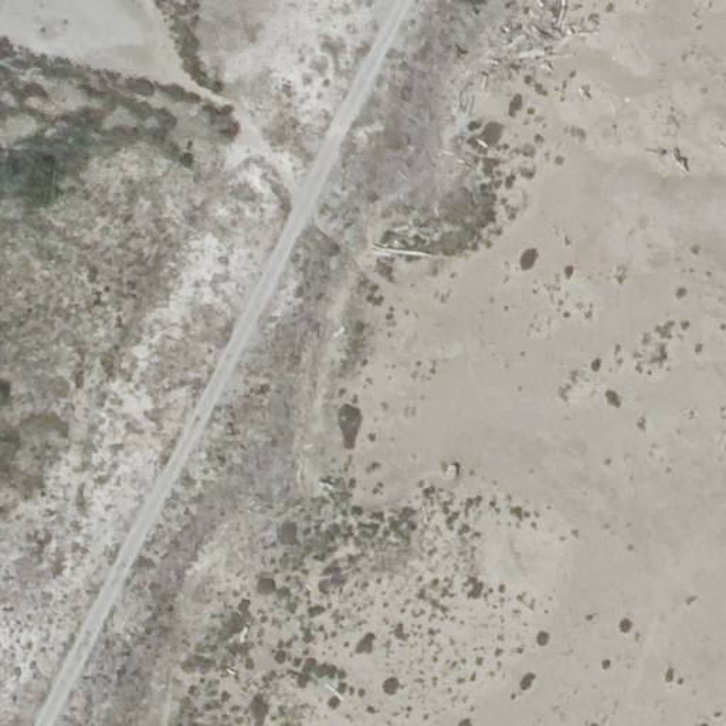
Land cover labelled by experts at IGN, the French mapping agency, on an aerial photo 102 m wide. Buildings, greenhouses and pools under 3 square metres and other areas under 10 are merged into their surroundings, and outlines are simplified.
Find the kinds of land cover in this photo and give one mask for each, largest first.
<instances>
[{"label":"bare soil","instance_id":"1","mask_svg":"<svg viewBox=\"0 0 726 726\"><path fill-rule=\"evenodd\" d=\"M372 0H199V60L207 77L224 79V91L216 94L199 85L182 68L170 23L156 9V0H0V37L11 45H26L34 54L65 57L77 65L108 68L122 77H145L153 82L179 85L213 105L233 108L238 136L233 142H196L190 167L170 162L150 142H136L111 159H91L82 173L91 184H108L111 201L128 196L122 184L125 179L156 176L162 184L159 193L164 199L167 233L182 247V255L176 261L162 264V281L170 284L173 295L167 306L145 312L142 343L133 346L136 372L130 374V383L111 380L105 372H88L82 386H77V352L68 343L51 346V354H60L57 374L65 380L68 394L74 397V420L68 423L71 451L79 454L77 474L91 471L94 451L102 442L99 411L111 414V420L125 423L128 434H142L133 417L145 411L153 423V437L162 442L159 465L170 462L182 440V431H164V414H170V406L150 408V397L190 389V397H201V391L213 383L221 349L230 343L235 329L233 320H227L218 329L213 320L216 306L207 303L213 301L210 278L221 272V264H230V258L218 255V238L235 235L244 210H233L230 218H218L210 213V207L227 204L230 199L250 204L261 193L272 190L278 213L289 218L292 201L281 179L292 173V156L301 162H315L306 145L323 142L332 128V119L340 113L343 99L352 91V79L360 71L363 57H369L372 43L380 31V23L369 17ZM567 14L570 20L598 14V28L587 34V48H576L570 62L553 65L556 77H564L567 68H576V79L567 88V102H562L559 94L539 96L522 79H510L513 91L522 96V108L519 113H513V125L502 130L499 139L508 145H527L533 133H542L545 142L533 156H513L499 167L502 173H513L516 167H533L536 176L516 179L513 187L496 190V218L479 233V250L462 255L434 252L414 264L403 261L394 267L391 284L380 289V295L394 306V354H372L366 363V369L374 377V386L372 397H363L357 403L360 428L354 451L372 459L369 434H394L397 440L389 445L391 462L403 471L408 459L417 457L428 485H442L454 479V468L442 471L440 459H454L462 465H474L476 459H482L476 476L459 479L451 505L454 510H459L468 496H482V505L471 510L468 533H451L445 522L440 525V533L425 530V539L437 545L434 556L408 559V564L400 567L394 576H386L380 584H369L374 607L366 613H352L357 618H366L363 627H357L354 632H340L335 641H312L315 661L346 669V683L363 686L366 698L337 692L332 678L312 681L303 686L298 698L301 703H309L303 712V726H726V0H584L579 11ZM88 516L85 485L62 482L60 471L54 468H48L45 474L43 496L26 502L20 491H0V726H34L68 652L77 644L85 615L91 613L102 590L99 584L88 581L74 593H48V581L62 576V567L68 573H77L94 542L91 527H82Z\"/></svg>","mask_w":726,"mask_h":726},{"label":"herbaceous vegetation","instance_id":"2","mask_svg":"<svg viewBox=\"0 0 726 726\"><path fill-rule=\"evenodd\" d=\"M156 9L170 23L182 68L199 85L216 94L224 91V79L207 77L199 60V0H156ZM584 0H414L408 20H403L400 26V48H391L386 54V62L372 85V96L346 130L340 162L332 167L326 179L320 204L292 247L289 261L301 275V284L295 289L298 306L284 318L261 312L255 337L235 363L233 383L221 394V403L213 406L204 437L190 451L182 479L164 499L162 516L153 525V533L145 539L139 559L133 562L125 579L119 601H113V607L108 610L99 641L88 655L77 686L68 692L65 712L54 726H303V712L309 703H301L298 698L303 686L312 681L332 678L337 692L366 698L363 686L346 683V669L315 661L312 641H335L340 632H354L357 627H363L366 618H357L352 613H366L374 607L369 584H380L386 576H394L400 567L408 564V559L434 556L437 545L425 539V530L440 533V525L445 522L451 533H468L471 510L482 505V496H468L459 510H454L451 505L459 479L476 476L482 459H476L474 465H462L454 459H440L442 471L454 468V479L442 485H428L417 457L408 459L403 471L391 462L389 445L397 440L394 434H369L372 459L354 451L360 428L357 403L363 397H372L374 386V377L366 369V363L372 354H394V306L380 295V289L391 284L394 267L403 261L414 264L434 252L462 255L479 250V233L496 218V190L513 187L516 179L536 176L533 167H516L513 173H502L499 167L513 156H533L545 142L542 133H533L527 145H508L499 139L502 130L513 125V113H519L522 108V96L513 91L510 79H522L539 96L559 94L562 102H567V88L576 79V68H567L564 77H556L553 65L570 62L576 48H587V34L598 28V14L570 20L567 14L579 11ZM88 108L102 119V125L88 136L91 159H111L136 142H150L170 162L190 167L196 142H233L238 136L233 108L213 105L179 85L153 82L145 77H122L108 68L77 65L65 57L34 54L26 45H11L0 37V145L9 147L11 139H23L31 133L57 136L65 130V113ZM122 184L128 196L111 201L108 184H91L82 173L62 176L60 199L48 207H23L20 199L0 201V491H20L26 502L43 496L45 474L48 468H54L62 454L71 451L68 423L74 420V397L68 394L65 380L57 374L60 354H51V346L68 343L77 352V386H82L88 372H105L111 380L130 383V374L136 372L133 346L142 343L145 312L167 306L173 295L170 284L162 281V264L176 261L182 255V247L167 233L164 199L159 193L162 184L156 176L125 179Z\"/></svg>","mask_w":726,"mask_h":726},{"label":"pervious surface","instance_id":"3","mask_svg":"<svg viewBox=\"0 0 726 726\"><path fill-rule=\"evenodd\" d=\"M414 0H372L369 17L380 23V31L372 43L369 57H363L360 71L352 79V91L343 99L340 113L332 119V128L323 142L306 145L315 162H301L292 156V173L281 179L292 201L289 218L278 213L272 190L261 193L250 204L230 199L227 204L210 207V213L218 218H230L233 210H244L235 235L218 238V255L230 258V264H221V272L210 278L213 301L207 303L216 306L213 320L218 329L227 320H233L235 329L230 343L221 349L213 383L201 391V397H190V389L150 397V408L170 406V414H164V431H182V440L170 462L159 465L162 442L153 437V423L145 411L133 417L142 434H128L125 423L111 420V414L99 411L102 442L94 451L91 471L77 474L79 454L71 451L62 454L54 468L60 471L62 482L85 485L88 516L82 527H91L94 542L77 573H68L62 567V576L48 581V593H74L88 581L99 584L102 590L91 613L85 615L77 644L68 652L34 726H54L65 712L68 692L77 686L88 655L99 641L108 610L113 607V601H119L125 579L133 562L139 559L145 539L153 533V525L162 516L164 499L182 479L190 451L204 437L213 406L221 403V394L233 383L235 363L255 337L261 312L284 318L298 306L295 289L301 284V275L289 261L292 247L320 204L326 179L332 167L340 162L346 130L372 96V85L386 62V54L391 48H400V26L403 20H408Z\"/></svg>","mask_w":726,"mask_h":726},{"label":"brushwood","instance_id":"4","mask_svg":"<svg viewBox=\"0 0 726 726\"><path fill-rule=\"evenodd\" d=\"M102 125V119L88 108L65 113V130L57 136L31 133L23 139H11L9 147L0 145V201L20 199L23 207H48L60 199L62 176L82 173L91 159L88 136Z\"/></svg>","mask_w":726,"mask_h":726}]
</instances>
